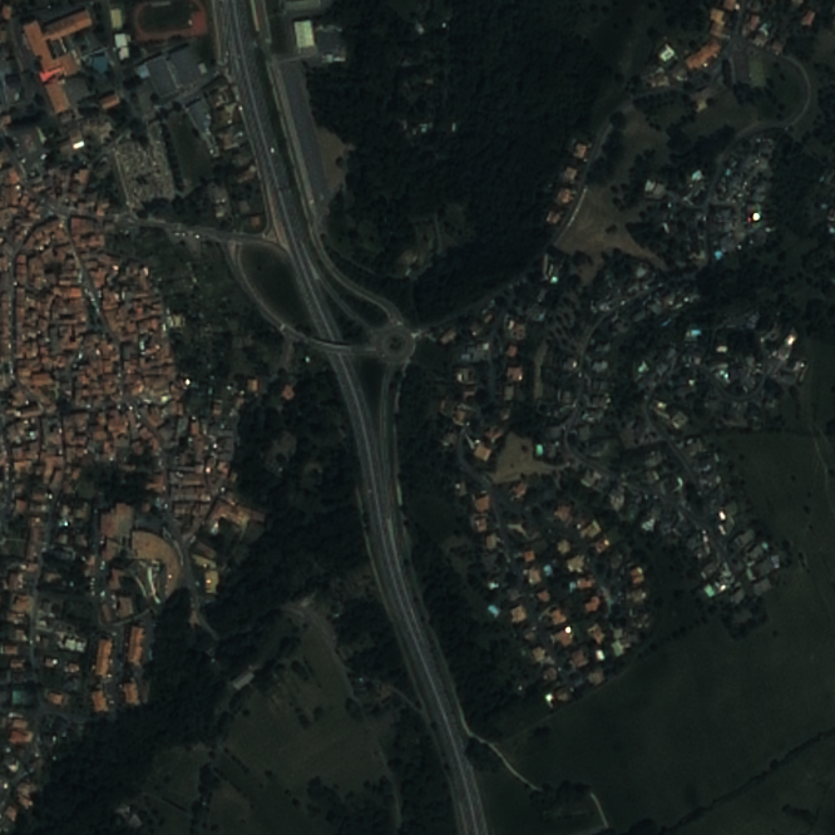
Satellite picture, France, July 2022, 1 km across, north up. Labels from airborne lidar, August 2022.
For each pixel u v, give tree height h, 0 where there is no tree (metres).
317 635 0
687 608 0
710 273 13
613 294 0
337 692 0
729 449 0
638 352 6
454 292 15
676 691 0
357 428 0
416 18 10
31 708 6
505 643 12
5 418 0
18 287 0
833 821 0
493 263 21
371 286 9
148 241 0
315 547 11
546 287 12
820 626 0
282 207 0
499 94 14
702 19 11
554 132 19
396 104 17
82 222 0
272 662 8
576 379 7
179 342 11
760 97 9
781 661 0
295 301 0
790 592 0
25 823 24
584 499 6
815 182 6
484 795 0
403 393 11
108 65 10
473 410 0
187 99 0
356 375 0
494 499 0
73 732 8
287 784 0
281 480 8
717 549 0
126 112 7
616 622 19
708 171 12
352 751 0
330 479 17
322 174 0
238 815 0
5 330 0
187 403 8
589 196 0
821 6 7
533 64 22
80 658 6
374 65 21
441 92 13
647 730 0
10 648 0
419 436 8
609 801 0
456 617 16
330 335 0
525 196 15
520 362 11
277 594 9
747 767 0
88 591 9
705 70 0
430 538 11
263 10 0
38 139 0
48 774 12
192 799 0
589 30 0
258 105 0
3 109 0
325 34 0
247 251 0
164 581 0
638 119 0
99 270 0
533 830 0
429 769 12
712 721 0
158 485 0
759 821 0
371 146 14
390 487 0
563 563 7
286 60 0
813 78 0
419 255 0
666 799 0
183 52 0
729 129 11
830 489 0
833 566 0
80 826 23
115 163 0
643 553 7
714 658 0
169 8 0
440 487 13
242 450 13
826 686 0
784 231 12
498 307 8
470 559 6
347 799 7
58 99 0
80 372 0
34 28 0
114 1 0
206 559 0
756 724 0
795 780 0
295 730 0
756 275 8
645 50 0
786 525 0
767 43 6
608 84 0
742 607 9
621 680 0
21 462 0
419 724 7
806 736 0
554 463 7
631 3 0
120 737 23
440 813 11
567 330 10
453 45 14
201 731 13
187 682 18
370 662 12
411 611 0
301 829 0
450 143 8
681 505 0
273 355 0
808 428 0
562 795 11
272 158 0
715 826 0
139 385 0
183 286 0
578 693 11
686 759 0
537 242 16
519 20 15
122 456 0
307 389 8
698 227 10
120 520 0
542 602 7
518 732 0
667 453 8
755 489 0
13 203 0
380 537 0
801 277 9
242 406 6
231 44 0
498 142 8
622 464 9
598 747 0
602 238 0
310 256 0
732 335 10
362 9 17
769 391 13
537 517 13
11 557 6
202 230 0
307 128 0
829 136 6
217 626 18
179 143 0
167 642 17
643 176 6
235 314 6
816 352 0
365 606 17
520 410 8
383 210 9
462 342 12
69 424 0
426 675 0
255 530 0
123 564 7
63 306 0
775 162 8
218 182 7
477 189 19
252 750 0
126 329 0
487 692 13
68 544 5
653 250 12
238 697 10
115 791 27
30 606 0
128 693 0
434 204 14
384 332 0
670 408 7
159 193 0
